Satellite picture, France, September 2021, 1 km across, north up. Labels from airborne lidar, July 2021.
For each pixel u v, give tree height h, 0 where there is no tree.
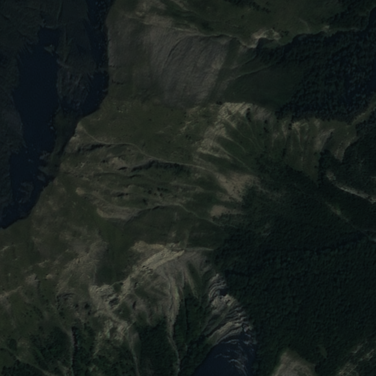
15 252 0
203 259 0
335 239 13
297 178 16
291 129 8
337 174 10
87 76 0
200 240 0
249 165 0
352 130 0
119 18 0
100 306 0
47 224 0
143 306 0
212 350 0
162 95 0
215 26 0
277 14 0
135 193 0
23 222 0
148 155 0
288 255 21
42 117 0
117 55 0
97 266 0
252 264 9
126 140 0
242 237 9
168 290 0
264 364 20
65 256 0
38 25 0
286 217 6
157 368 16
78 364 9
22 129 0
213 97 0
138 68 0
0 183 0
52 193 0
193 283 0
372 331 13
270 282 19
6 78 0
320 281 18
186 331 9
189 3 0
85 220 0
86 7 0
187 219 0
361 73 18
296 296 18
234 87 0
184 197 0
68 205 0
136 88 0
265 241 10
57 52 0
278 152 0
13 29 0
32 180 0
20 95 0
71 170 0
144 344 11
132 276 0
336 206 12
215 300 0
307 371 0
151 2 0
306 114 20
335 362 18
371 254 21
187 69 0
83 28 0
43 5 0
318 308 19
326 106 8
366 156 11
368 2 17
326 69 6
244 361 0
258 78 0
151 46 0
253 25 0
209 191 0
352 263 23
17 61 0
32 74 0
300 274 18
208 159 0
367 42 16
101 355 15
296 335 18
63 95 0
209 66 0
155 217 0
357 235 12
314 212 13
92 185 0
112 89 0
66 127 0
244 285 25
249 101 0
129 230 0
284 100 0
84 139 0
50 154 0
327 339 20
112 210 0
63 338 9
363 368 18
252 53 0
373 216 23
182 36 0
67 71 0
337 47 11
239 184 0
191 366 16
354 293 21
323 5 0
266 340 22
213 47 0
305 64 8
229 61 0
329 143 0
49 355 18
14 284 0
